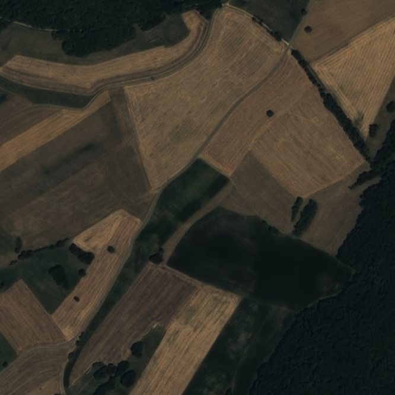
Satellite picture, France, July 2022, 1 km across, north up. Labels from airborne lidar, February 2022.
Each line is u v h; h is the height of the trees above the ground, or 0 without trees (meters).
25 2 15
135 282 0
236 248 0
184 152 0
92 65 0
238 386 0
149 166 0
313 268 0
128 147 0
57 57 0
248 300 0
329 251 0
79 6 16
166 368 0
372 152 0
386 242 21
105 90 0
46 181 0
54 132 0
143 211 0
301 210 0
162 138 0
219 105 0
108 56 0
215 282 0
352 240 19
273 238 0
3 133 0
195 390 0
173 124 0
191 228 0
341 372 24
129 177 0
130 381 17
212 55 0
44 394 0
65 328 0
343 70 0
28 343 0
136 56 0
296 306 0
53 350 0
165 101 0
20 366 0
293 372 21
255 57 0
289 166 0
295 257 0
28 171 0
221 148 0
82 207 0
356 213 0
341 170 0
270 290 0
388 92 0
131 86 0
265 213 0
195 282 0
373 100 0
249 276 0
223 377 0
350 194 0
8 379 0
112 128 0
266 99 0
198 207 0
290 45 0
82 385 0
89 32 15
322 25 0
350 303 25
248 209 0
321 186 0
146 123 0
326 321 20
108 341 0
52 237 0
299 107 0
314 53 0
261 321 0
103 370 13
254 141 0
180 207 0
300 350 18
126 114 0
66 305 0
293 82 0
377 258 20
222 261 0
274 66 0
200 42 0
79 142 0
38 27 14
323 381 21
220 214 0
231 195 0
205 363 0
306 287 0
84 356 0
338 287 0
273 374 20
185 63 0
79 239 0
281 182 0
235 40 0
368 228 20
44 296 0
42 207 0
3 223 0
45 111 0
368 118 0
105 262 0
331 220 0
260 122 0
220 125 0
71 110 0
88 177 0
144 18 18
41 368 0
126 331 0
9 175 0
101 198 0
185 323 0
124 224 0
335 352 24
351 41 0
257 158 0
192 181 0
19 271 0
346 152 0
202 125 0
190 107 0
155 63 0
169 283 0
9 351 0
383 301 23
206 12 8
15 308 0
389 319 22
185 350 0
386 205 21
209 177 0
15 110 0
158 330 0
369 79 0
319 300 0
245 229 0
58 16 15
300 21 0
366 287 21
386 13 0
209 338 0
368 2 0
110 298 0
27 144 0
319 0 0
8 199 0
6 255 0
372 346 23
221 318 0
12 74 0
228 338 0
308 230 0
